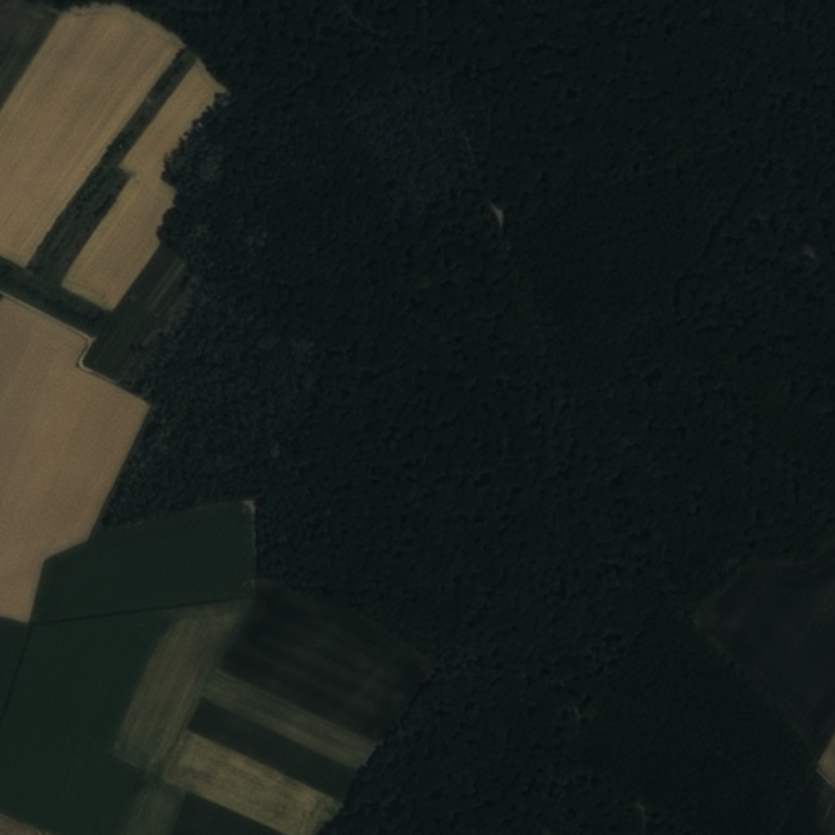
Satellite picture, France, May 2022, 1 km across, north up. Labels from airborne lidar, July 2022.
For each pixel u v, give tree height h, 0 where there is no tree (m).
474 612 23
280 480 20
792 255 24
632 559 28
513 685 27
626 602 27
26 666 0
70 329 0
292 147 21
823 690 0
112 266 0
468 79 24
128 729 0
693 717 21
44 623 0
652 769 15
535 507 24
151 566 0
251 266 13
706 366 9
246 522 0
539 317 17
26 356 0
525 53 29
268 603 0
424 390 24
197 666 0
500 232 10
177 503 16
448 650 16
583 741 13
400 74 21
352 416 24
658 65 26
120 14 0
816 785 0
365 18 31
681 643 20
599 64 31
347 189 21
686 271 20
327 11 30
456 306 27
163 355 21
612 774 14
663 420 27
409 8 27
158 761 0
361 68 27
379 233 26
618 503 28
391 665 0
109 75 0
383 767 18
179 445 25
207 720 0
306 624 0
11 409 0
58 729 0
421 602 25
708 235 15
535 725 27
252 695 0
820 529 22
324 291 26
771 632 0
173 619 0
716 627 0
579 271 20
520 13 30
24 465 0
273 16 26
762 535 25
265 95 22
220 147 21
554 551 22
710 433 26
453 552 23
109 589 0
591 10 27
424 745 19
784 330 26
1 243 0
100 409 0
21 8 0
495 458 25
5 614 0
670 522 26
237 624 0
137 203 0
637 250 16
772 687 0
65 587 0
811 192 27
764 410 7
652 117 28
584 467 26
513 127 26
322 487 22
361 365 24
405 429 28
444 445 26
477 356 30
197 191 21
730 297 25
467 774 29
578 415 26
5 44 0
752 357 24
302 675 0
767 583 0
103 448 0
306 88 23
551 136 27
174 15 23
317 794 0
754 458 27
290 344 25
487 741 30
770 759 20
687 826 13
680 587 21
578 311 21
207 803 0
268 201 20
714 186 21
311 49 29
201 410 26
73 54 0
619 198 17
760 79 28
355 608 15
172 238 17
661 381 23
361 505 26
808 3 28
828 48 23
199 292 20
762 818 15
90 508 0
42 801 0
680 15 27
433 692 19
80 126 0
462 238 28
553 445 25
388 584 24
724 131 25
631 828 28
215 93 0
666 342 23
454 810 30
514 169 29
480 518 27
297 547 21
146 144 0
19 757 0
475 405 27
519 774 27
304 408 17
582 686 26
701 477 26
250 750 0
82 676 0
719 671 19
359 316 25
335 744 0
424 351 28
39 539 0
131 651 0
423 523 23
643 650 18
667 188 16
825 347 26
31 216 0
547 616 25
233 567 0
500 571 22
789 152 25
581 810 27
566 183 28
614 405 25
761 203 28
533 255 17
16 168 0
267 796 0
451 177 21
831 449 9
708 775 14
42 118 0
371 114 18
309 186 16
